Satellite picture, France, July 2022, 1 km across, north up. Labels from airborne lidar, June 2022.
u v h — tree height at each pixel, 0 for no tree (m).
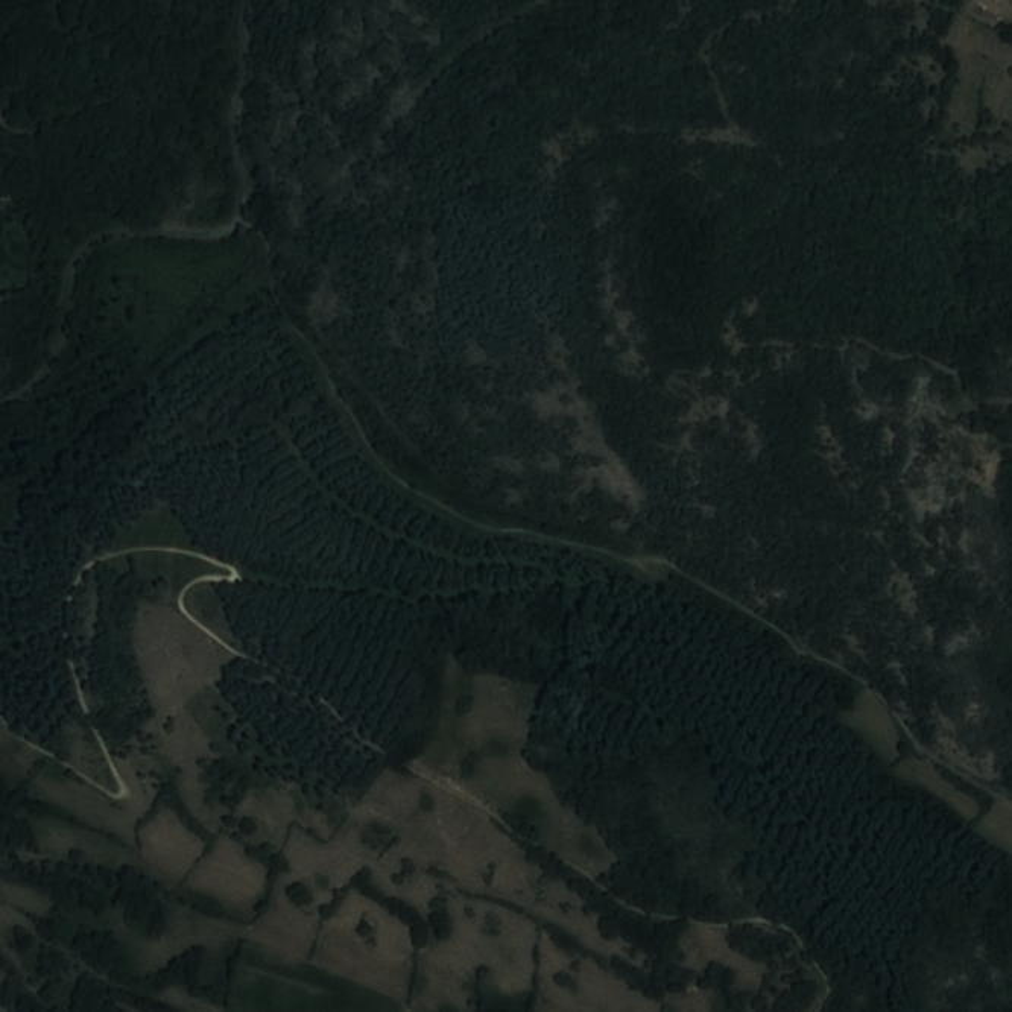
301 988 0
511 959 0
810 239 7
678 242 14
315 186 7
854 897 31
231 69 7
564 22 8
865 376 8
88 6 13
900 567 7
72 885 11
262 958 0
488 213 11
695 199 7
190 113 10
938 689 11
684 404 7
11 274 0
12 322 21
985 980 9
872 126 8
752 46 7
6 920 0
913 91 8
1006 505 10
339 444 17
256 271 7
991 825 0
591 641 25
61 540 19
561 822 0
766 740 28
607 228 5
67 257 10
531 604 20
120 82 12
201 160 7
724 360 12
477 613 13
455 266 13
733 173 6
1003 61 0
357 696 21
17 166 14
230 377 17
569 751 9
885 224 8
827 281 8
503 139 9
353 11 5
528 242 12
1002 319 11
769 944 10
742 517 7
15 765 0
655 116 8
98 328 7
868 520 9
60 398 18
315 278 7
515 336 11
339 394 10
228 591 17
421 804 0
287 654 12
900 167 7
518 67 10
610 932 10
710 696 27
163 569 0
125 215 21
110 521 18
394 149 9
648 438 10
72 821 6
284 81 7
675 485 11
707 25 6
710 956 0
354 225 7
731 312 7
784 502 10
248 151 8
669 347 8
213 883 0
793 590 6
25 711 16
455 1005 0
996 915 16
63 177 24
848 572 8
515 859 0
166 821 0
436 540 19
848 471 5
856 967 25
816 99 6
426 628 18
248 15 14
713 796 6
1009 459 7
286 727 20
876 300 7
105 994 12
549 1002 0
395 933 0
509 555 20
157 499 18
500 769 0
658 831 11
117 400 11
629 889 9
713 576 9
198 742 0
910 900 30
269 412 10
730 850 7
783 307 9
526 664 14
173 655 0
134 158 14
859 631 9
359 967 0
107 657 15
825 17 12
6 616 22
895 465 8
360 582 18
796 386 10
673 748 11
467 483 8
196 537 13
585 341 9
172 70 14
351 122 8
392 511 24
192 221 10
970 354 12
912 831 32
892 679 7
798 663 7
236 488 18
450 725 0
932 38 8
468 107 9
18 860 9
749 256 12
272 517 17
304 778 17
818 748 27
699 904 10
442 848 0
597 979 0
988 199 10
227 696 16
